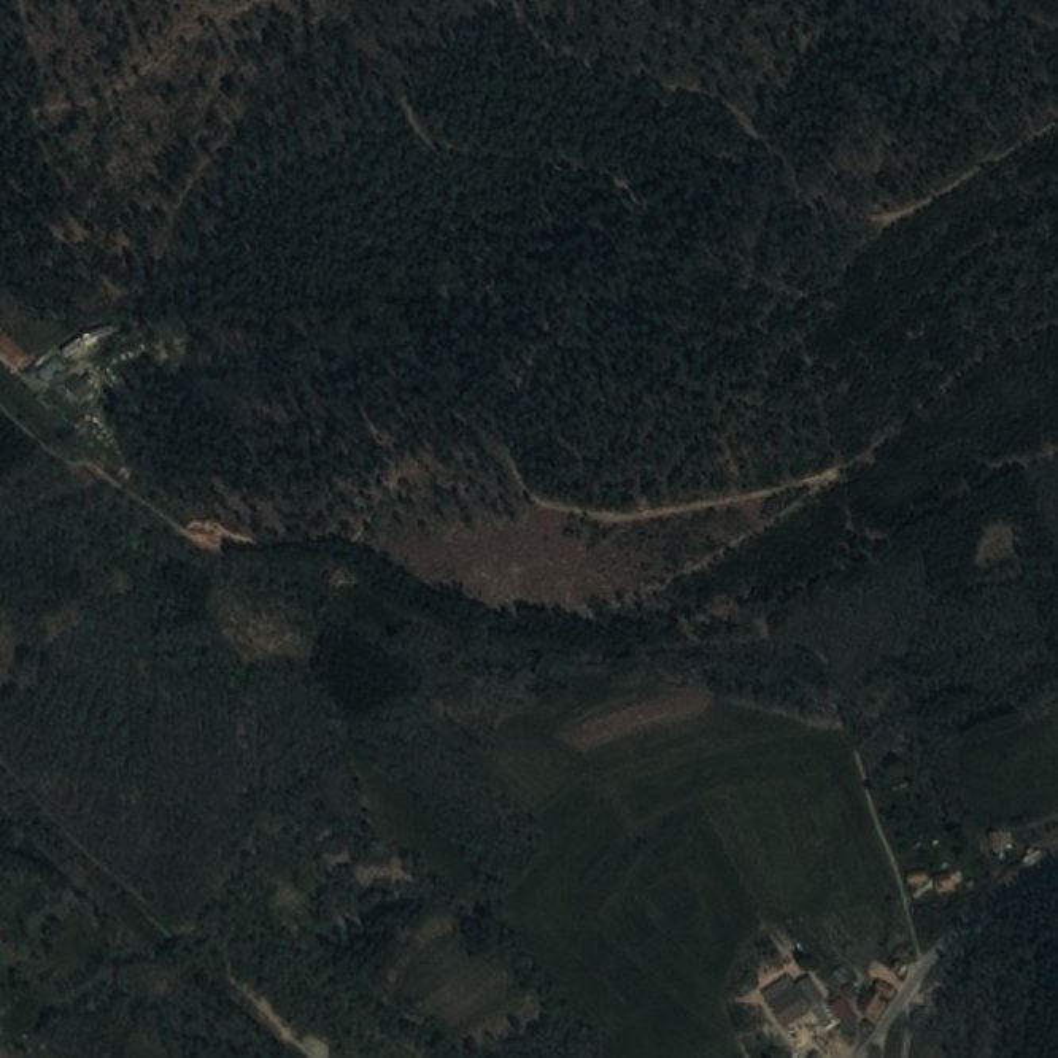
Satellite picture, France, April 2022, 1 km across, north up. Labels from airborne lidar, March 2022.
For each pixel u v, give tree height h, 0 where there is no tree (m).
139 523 24
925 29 22
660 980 0
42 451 17
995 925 21
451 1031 0
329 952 24
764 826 0
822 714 14
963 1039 22
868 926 0
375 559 24
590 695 0
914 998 0
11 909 0
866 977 0
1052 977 23
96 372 0
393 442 26
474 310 25
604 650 28
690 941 0
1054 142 8
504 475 27
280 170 32
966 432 9
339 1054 6
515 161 28
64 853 17
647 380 14
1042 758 0
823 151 29
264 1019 0
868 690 17
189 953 8
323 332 22
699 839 0
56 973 0
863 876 0
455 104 22
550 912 0
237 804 14
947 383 12
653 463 23
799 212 27
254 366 29
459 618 28
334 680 19
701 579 8
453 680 16
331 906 18
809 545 9
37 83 30
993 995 21
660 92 31
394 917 22
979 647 17
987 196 8
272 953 11
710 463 30
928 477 9
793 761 0
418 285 26
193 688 8
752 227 26
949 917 0
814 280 12
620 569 0
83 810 13
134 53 29
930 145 24
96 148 0
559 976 0
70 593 10
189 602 22
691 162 32
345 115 27
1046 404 8
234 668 23
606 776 0
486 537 0
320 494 26
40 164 31
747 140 22
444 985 0
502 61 27
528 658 22
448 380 28
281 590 14
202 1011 11
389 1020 19
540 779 0
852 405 8
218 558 6
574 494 15
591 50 32
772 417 7
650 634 23
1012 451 13
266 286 26
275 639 0
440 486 26
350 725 15
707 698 0
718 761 0
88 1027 20
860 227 28
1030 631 16
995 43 26
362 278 29
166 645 20
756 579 8
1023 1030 22
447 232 31
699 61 33
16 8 31
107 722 14
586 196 34
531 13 7
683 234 6
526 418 27
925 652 16
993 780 0
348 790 14
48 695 22
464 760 15
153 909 14
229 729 7
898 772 21
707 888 0
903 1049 0
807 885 0
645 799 0
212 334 24
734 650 15
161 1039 24
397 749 15
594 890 0
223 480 17
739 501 0
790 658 16
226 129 30
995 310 7
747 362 9
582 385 28
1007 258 32
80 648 7
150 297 30
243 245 26
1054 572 15
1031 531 28
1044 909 20
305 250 25
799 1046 0
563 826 0
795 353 11
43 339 0
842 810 0
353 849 6
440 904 15
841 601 14
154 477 22
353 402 14
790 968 0
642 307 7
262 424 19
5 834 27
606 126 27
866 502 11
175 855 15
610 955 0
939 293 14
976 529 26
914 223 7
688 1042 0
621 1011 0
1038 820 11
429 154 22
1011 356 17
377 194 27
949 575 25
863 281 8
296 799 14
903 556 20
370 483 23
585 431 24
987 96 27
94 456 23
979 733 28
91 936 0
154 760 14
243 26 0
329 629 17
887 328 10
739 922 0
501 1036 0
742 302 10
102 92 0
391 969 18
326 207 21
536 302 32
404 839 0
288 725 11
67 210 15
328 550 20
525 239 34
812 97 27
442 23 27
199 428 27
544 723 0
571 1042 16
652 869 0
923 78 24
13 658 0
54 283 21
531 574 0
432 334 19
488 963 0
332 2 32
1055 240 9
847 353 10
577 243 32
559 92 30
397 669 21
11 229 24
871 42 30
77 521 14
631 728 0
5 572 11
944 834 0
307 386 26
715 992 0
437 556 0
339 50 31
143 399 11
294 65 7
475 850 15
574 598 0
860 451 10
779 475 6
